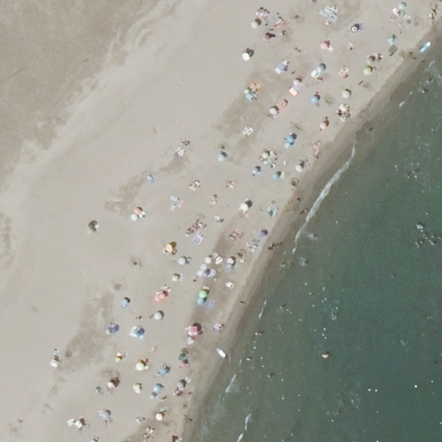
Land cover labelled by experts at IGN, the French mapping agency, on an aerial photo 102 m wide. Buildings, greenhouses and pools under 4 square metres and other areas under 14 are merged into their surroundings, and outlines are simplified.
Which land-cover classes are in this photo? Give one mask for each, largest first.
<instances>
[{"label":"bare soil","instance_id":"1","mask_svg":"<svg viewBox=\"0 0 442 442\"><path fill-rule=\"evenodd\" d=\"M442 35V0H0V442H204L205 437L214 430L216 421L226 413L224 406L228 401V395L238 390L237 378L242 375V356L249 345V337L257 331L266 306H271L275 299V287L287 273L285 268L292 264L299 238L313 240L314 233L307 230L309 221L314 218L319 205L330 193L331 186L340 180V176L354 162L357 129L366 121H371L376 114L383 112L390 92L397 83L406 79L407 74L413 73L416 67L420 66L423 54L430 48V43Z\"/></svg>","mask_w":442,"mask_h":442},{"label":"water","instance_id":"2","mask_svg":"<svg viewBox=\"0 0 442 442\"><path fill-rule=\"evenodd\" d=\"M307 230L314 233L313 240L299 238L292 264L285 268L287 273L275 287V299L271 306H266L257 331L249 337V345L242 356V375L237 378L238 390L228 395V401L224 406L226 413L216 421L214 430L205 437L204 442H442V35L430 43V48L423 54L420 66L416 67L413 73L407 74L406 79L397 83L390 92L383 112L376 114L371 121H366L357 129L354 162L340 176V180L331 186L330 193L319 205L314 218L309 221Z\"/></svg>","mask_w":442,"mask_h":442}]
</instances>
